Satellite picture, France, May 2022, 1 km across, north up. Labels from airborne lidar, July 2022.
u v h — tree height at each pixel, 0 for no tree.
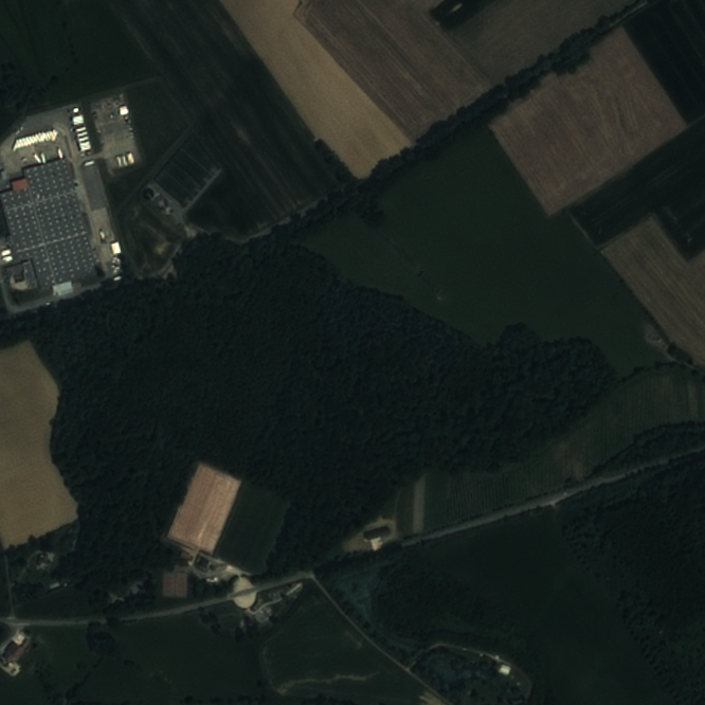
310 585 0
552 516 0
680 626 16
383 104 0
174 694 0
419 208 0
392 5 0
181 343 18
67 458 22
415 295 0
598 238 0
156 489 29
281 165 0
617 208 0
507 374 26
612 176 0
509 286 0
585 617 0
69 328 23
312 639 0
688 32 0
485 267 0
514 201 0
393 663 0
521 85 12
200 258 19
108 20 0
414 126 0
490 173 0
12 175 0
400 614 8
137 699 0
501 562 0
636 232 0
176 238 0
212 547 0
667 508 21
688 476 25
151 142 0
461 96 0
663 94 0
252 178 0
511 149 0
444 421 24
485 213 0
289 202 0
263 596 0
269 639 0
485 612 8
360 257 0
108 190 0
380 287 0
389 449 26
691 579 15
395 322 23
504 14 0
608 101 0
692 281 0
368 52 0
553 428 24
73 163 0
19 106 17
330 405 28
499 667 12
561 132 0
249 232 0
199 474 0
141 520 26
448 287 0
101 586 19
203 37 0
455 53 0
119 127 0
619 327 0
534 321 0
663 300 0
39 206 0
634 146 0
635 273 0
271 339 19
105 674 0
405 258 0
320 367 24
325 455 25
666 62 0
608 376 14
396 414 25
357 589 13
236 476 15
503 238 0
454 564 0
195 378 19
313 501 24
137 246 0
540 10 0
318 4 0
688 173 0
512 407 29
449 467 19
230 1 0
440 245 0
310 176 0
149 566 18
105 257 0
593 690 0
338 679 0
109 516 29
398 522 0
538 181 0
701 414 0
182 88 0
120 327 21
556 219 0
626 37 0
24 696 0
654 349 0
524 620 0
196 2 0
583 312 0
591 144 0
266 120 0
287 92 0
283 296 19
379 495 30
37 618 0
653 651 11
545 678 8
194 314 19
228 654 0
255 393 18
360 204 18
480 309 0
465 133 20
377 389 25
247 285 24
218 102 0
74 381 14
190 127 0
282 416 24
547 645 0
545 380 27
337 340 25
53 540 16
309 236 14
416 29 0
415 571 7
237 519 0
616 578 0
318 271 17
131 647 0
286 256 21
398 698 0
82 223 0
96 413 24
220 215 0
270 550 0
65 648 0
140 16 0
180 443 20
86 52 0
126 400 20
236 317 19
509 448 23
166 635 0
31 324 20
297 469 24
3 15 0
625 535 19
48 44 0
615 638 0
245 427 18
